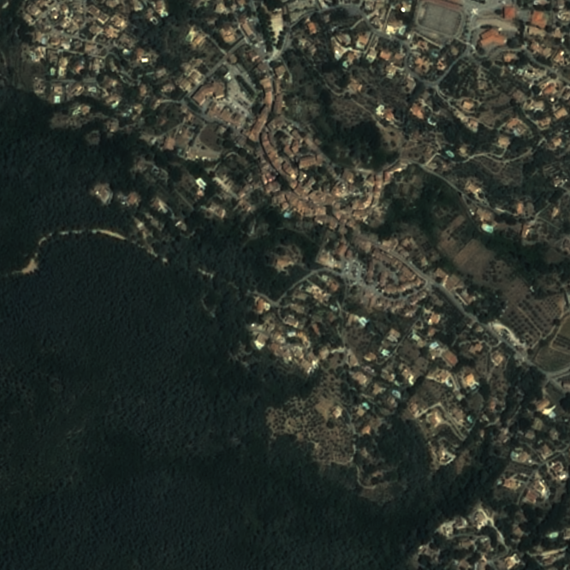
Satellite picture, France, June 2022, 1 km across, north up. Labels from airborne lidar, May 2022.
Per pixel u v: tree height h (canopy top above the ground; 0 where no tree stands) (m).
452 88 6
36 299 17
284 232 10
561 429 10
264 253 6
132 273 17
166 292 15
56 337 15
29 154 21
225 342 8
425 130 6
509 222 12
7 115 17
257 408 12
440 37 0
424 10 0
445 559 24
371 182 0
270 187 0
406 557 10
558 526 14
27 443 6
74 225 15
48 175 13
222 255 25
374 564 24
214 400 12
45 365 12
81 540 14
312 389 16
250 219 6
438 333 9
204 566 19
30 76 0
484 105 7
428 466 12
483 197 10
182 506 20
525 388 18
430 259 7
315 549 19
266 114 0
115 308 19
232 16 12
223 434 9
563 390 0
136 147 10
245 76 0
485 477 22
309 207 0
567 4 10
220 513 14
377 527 17
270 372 7
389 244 0
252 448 15
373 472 13
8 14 11
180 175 19
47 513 16
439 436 7
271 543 7
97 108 8
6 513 9
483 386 8
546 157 20
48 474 6
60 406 8
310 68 13
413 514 17
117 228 7
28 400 8
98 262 19
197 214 16
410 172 7
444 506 20
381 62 8
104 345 13
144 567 13
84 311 19
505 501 6
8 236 16
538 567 14
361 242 0
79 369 14
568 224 10
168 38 15
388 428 11
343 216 0
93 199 20
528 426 13
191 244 10
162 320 20
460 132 14
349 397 6
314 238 7
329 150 13
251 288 9
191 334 23
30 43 7
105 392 10
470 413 7
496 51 0
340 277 9
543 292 11
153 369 14
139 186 22
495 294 5
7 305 17
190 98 9
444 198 6
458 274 6
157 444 16
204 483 20
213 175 11
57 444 8
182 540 14
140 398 15
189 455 6
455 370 10
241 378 13
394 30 0
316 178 11
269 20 11
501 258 9
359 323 7
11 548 18
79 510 18
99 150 18
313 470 9
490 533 18
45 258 14
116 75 7
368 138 14
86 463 11
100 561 15
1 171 18
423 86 14
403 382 9
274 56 0
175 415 16
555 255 0
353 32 8
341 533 19
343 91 7
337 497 13
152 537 15
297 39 6
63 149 23
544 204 13
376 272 7
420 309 6
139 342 11
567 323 0
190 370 9
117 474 19
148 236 0
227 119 0
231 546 16
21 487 6
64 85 6
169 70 8
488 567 10
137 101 7
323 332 9
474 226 0
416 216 7
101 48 7
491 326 0
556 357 0
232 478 16
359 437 9
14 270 19
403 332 7
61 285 17
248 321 12
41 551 18
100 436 15
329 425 11
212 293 14
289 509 16
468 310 10
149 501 15
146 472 16
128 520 16
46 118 6
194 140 9
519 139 14
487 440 10
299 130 13
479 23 0
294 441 12
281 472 18
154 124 9
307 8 6
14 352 16
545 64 6
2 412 8
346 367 9
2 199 15
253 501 15
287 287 9
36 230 19
